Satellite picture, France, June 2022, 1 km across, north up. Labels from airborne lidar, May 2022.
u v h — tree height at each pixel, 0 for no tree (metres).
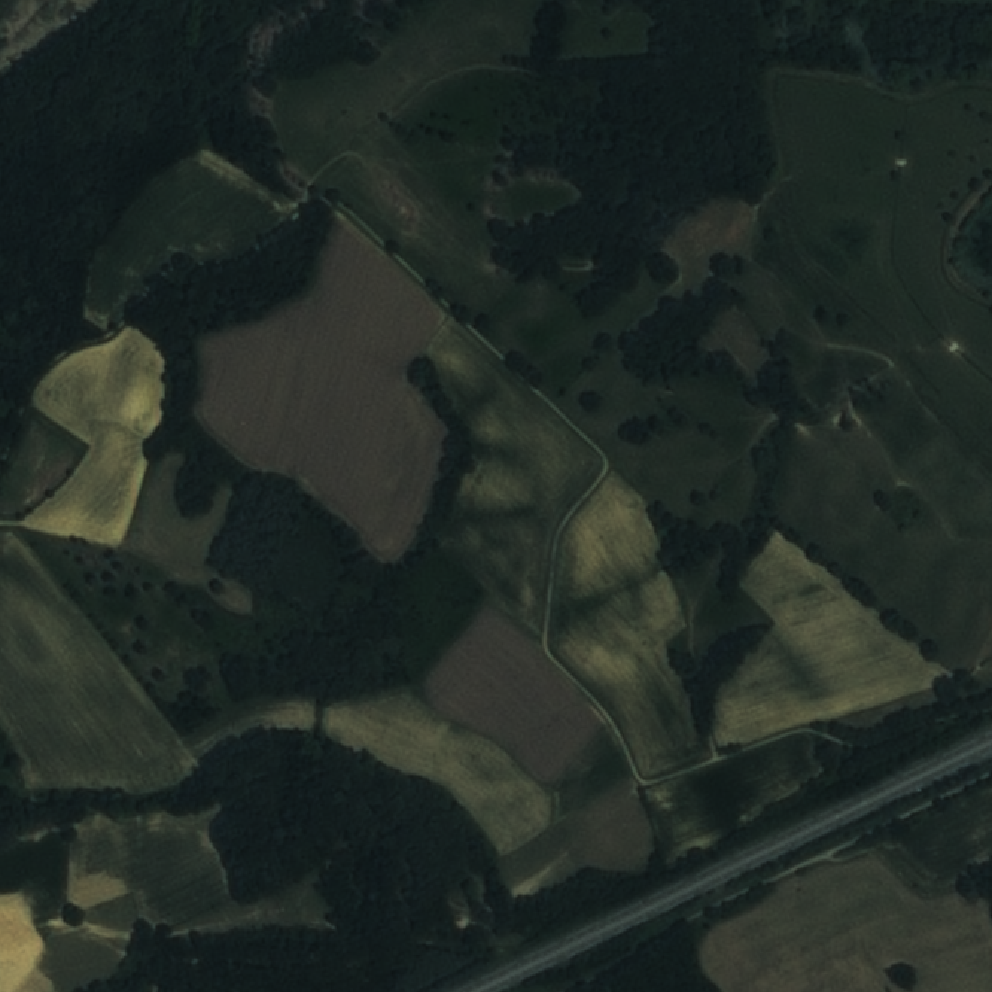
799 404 19
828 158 0
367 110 0
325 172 0
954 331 0
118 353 0
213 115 15
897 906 0
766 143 19
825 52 14
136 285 0
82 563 15
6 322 16
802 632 0
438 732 0
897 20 12
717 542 9
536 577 0
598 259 15
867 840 11
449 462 16
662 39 17
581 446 0
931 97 0
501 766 0
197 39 10
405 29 0
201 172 0
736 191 21
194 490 18
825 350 0
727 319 0
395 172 0
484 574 0
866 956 0
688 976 18
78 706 0
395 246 11
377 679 23
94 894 0
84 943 0
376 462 0
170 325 22
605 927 0
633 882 16
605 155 25
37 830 10
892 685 0
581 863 0
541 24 16
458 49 0
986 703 11
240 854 25
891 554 0
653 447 0
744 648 20
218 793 21
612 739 0
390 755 0
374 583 18
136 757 0
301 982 18
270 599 7
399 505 0
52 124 17
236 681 25
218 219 0
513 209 0
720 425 0
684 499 0
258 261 23
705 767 0
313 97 0
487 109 0
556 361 0
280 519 16
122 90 9
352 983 19
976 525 0
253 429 0
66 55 19
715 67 26
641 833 0
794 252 0
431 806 24
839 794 15
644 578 0
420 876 19
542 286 0
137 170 14
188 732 11
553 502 0
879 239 0
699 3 20
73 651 0
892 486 0
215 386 0
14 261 8
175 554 0
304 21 10
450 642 0
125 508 0
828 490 0
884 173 0
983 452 0
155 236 0
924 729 9
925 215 0
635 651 0
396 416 0
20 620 0
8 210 29
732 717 0
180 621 0
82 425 0
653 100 23
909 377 0
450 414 15
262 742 25
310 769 22
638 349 23
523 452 0
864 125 0
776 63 11
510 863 0
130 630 0
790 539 11
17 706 0
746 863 0
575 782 0
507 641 0
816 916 0
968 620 0
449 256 0
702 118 24
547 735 0
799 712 0
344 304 0
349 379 0
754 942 0
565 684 0
